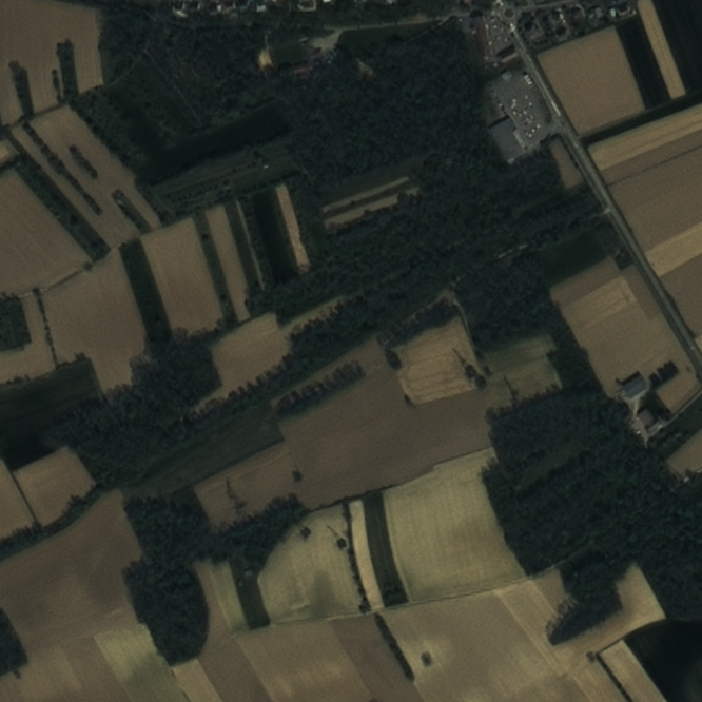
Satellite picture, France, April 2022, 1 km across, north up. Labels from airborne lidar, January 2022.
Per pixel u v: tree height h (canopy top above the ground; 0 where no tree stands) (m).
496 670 0
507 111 0
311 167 18
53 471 0
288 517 22
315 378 0
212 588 0
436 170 7
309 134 24
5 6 0
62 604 0
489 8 0
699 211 0
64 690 0
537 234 6
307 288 21
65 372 0
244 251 0
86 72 0
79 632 0
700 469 0
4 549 21
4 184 0
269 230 0
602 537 26
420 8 24
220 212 0
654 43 0
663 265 0
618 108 0
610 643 0
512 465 10
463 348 0
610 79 0
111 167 0
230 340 0
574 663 0
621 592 17
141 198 0
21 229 0
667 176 0
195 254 0
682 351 0
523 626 0
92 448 23
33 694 0
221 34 23
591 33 0
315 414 0
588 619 20
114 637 0
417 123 23
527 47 0
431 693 0
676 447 0
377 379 0
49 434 22
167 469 0
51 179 0
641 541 27
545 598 0
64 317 0
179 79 20
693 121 0
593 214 16
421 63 10
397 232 19
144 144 0
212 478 0
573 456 0
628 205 0
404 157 23
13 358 0
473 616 0
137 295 0
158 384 32
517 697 0
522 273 26
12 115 0
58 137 0
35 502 0
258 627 0
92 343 0
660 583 23
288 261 0
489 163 21
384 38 0
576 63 0
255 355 0
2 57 0
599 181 0
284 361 0
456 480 0
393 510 0
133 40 24
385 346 19
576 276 0
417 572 0
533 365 0
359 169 24
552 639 13
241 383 0
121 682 0
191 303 0
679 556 22
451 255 29
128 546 0
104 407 22
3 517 0
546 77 0
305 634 0
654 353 0
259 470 0
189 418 0
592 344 0
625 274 0
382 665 0
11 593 0
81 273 0
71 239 0
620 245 11
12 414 0
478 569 0
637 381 0
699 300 0
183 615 22
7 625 20
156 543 23
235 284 0
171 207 0
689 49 0
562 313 18
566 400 25
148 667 0
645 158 0
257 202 0
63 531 0
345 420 0
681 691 0
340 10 21
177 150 0
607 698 0
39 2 0
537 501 23
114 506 0
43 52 0
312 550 0
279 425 0
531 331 14
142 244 0
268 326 0
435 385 0
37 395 0
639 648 0
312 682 0
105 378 0
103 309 0
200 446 0
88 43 0
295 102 22
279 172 0
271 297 12
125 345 0
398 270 24
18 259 0
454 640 0
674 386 0
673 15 0
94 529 0
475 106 28
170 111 0
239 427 0
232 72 23
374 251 11
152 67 19
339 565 0
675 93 0
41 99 0
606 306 0
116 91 0
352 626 0
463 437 0
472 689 0
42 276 0
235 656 0
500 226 23
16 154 0
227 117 21
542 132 0
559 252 0
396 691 0
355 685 0
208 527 29
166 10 16
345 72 27
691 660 0
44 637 0
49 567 0
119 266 0
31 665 0
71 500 0
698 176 0
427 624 0
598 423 30
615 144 0
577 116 0
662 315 0
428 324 14
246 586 0
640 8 0
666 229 0
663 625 0
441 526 0
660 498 28
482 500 0
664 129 0
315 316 0
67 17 0
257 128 0
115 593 0
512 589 0
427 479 0
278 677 0
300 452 0
